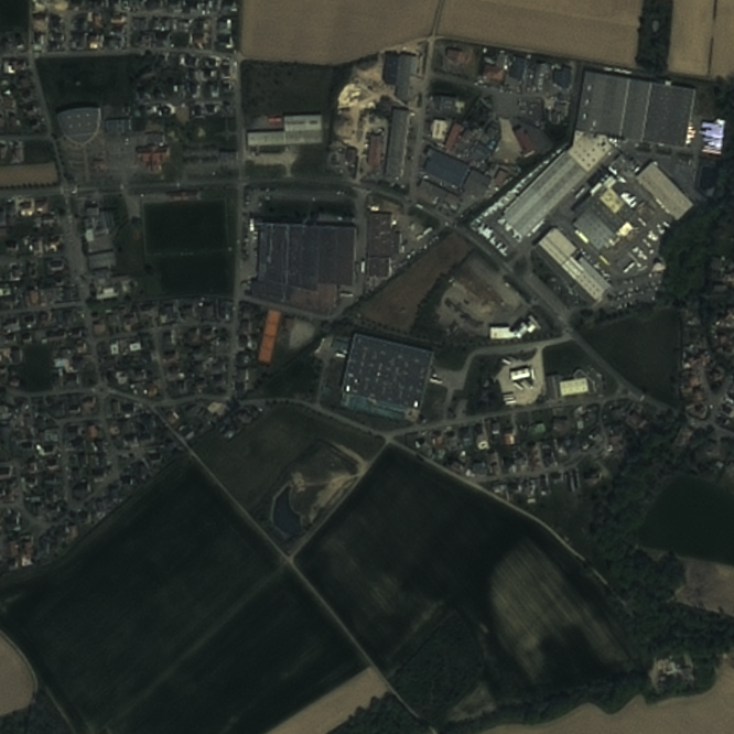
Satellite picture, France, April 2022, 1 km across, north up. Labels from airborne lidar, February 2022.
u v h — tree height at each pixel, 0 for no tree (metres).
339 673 0
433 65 0
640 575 21
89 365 0
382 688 0
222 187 0
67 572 0
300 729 0
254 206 0
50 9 0
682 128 0
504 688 0
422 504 0
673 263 17
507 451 0
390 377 0
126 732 0
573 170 0
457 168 0
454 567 0
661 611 25
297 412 0
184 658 0
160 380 0
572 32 0
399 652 0
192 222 0
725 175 19
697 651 21
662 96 0
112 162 0
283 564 0
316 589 0
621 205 0
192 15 0
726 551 0
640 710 0
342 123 0
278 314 0
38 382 0
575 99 0
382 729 15
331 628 0
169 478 0
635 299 0
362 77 0
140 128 0
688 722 0
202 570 0
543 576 0
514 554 0
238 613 0
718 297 0
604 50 0
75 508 0
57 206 0
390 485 0
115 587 0
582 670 0
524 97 0
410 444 0
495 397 11
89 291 0
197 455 0
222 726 0
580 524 0
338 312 0
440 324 0
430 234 0
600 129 0
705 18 0
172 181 0
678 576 22
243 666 0
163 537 0
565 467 0
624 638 0
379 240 0
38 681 0
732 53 0
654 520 0
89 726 0
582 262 0
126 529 0
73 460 6
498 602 0
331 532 0
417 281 0
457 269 6
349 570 0
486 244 0
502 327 0
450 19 0
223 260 0
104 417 0
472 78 0
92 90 0
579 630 0
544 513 0
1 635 0
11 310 0
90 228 0
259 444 0
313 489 0
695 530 0
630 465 15
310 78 0
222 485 0
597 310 0
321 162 0
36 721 17
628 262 0
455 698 7
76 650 0
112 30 0
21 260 0
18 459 0
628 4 0
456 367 0
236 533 0
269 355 0
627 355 0
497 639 0
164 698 0
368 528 0
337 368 0
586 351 0
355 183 0
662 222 0
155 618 0
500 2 0
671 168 0
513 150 0
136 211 0
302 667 0
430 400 0
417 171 0
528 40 0
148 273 7
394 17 0
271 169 0
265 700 0
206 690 0
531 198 0
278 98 0
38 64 0
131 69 0
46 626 0
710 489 0
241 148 0
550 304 0
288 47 0
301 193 0
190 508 0
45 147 0
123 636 0
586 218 0
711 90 0
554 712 18
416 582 0
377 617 0
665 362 0
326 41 0
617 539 25
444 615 0
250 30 0
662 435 19
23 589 0
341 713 0
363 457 0
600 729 0
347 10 0
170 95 0
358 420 0
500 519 0
